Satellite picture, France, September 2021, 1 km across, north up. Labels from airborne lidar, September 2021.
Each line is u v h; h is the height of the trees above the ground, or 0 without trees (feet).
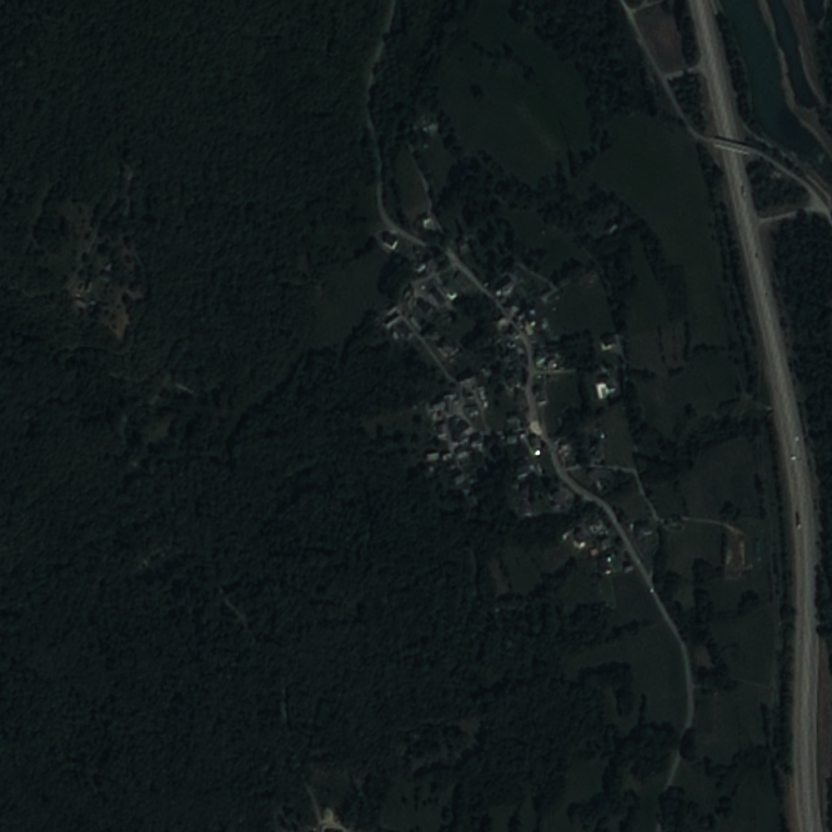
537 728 70
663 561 37
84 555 77
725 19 29
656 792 0
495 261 49
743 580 0
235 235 62
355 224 44
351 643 61
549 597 42
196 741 75
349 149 55
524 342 0
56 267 0
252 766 59
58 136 73
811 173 0
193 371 58
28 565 79
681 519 23
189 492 61
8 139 80
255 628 31
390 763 62
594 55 67
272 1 79
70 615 66
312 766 63
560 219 55
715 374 0
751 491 0
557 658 46
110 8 69
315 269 27
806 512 0
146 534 68
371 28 58
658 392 0
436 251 31
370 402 51
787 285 31
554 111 0
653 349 0
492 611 55
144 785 53
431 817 0
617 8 40
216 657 60
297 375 59
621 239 20
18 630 87
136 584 60
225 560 67
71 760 27
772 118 0
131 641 67
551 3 75
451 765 22
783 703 21
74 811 64
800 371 49
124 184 37
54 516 87
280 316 77
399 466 57
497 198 50
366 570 51
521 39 0
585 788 0
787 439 0
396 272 48
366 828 58
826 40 52
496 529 34
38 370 77
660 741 54
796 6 0
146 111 66
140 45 67
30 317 74
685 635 44
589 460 22
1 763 60
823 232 43
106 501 75
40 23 78
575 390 0
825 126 35
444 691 48
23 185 65
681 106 34
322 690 49
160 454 66
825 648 0
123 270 57
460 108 0
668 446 38
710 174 37
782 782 50
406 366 20
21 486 80
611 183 0
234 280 75
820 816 0
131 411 77
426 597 52
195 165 72
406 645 33
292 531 76
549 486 51
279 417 65
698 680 27
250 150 69
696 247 0
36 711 68
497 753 65
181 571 48
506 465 54
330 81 49
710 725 0
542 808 66
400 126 29
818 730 0
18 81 80
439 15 24
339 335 0
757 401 25
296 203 78
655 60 0
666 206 0
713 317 0
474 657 46
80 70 49
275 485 52
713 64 0
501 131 0
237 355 74
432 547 61
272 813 55
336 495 52
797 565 0
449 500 39
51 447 71
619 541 25
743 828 0
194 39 72
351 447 59
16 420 67
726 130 0
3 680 79
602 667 0
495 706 58
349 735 70
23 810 58
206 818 64
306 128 64
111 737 60
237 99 69
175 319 44
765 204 23
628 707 52
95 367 57
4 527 63
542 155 0
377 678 54
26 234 64
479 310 38
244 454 52
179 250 58
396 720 57
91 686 53
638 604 0
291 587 39
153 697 57
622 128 0
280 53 62
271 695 25
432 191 21
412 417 0
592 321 0
